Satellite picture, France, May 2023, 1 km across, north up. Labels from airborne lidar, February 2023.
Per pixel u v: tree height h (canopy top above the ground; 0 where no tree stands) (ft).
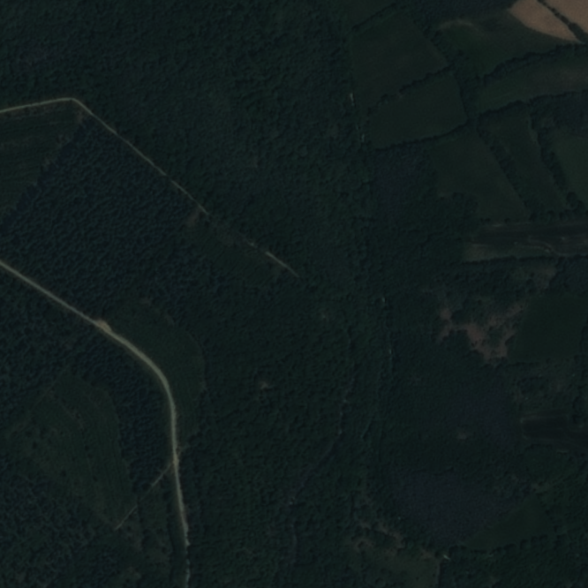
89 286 91
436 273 36
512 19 0
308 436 54
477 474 41
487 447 29
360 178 58
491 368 35
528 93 0
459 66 63
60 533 47
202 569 48
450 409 61
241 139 27
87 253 97
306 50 30
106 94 69
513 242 0
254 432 65
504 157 55
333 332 54
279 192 50
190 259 78
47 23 48
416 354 60
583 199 0
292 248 52
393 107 0
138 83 24
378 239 60
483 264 40
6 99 62
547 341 0
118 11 62
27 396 61
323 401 60
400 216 67
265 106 41
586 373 38
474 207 31
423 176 59
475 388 52
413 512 63
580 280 71
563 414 0
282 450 47
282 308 57
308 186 35
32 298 29
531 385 29
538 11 0
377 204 66
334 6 26
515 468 35
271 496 67
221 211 53
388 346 50
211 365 33
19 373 63
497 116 55
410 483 52
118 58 55
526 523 0
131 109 59
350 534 31
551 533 0
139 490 60
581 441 0
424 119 0
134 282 67
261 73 23
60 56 43
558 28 0
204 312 53
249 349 54
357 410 55
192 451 36
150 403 80
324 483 69
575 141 0
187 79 35
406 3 57
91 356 68
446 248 56
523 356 0
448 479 63
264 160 35
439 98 0
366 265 62
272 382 56
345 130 22
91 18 58
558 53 54
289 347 58
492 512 79
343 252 37
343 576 49
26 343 46
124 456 52
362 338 65
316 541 65
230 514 56
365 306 30
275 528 72
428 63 0
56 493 65
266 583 40
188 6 63
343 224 48
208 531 64
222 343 59
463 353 39
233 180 18
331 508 53
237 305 58
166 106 46
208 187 68
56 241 101
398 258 42
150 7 47
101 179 112
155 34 61
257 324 54
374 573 24
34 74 52
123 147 56
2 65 54
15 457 54
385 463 40
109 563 59
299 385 55
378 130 0
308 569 80
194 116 43
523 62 36
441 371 53
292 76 41
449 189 0
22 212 100
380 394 47
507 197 0
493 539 0
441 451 44
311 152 58
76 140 63
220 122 18
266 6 20
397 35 0
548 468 56
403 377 34
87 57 43
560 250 0
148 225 96
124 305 49
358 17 0
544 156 49
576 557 19
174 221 101
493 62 0
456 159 0
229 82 22
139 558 59
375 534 60
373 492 37
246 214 70
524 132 0
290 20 25
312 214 40
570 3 0
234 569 56
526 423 0
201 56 48
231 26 59
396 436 37
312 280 59
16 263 108
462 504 81
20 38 43
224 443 54
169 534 50
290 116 64
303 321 52
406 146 49
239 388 70
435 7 63
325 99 35
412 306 43
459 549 40
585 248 0
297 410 63
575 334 0
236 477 54
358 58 0
